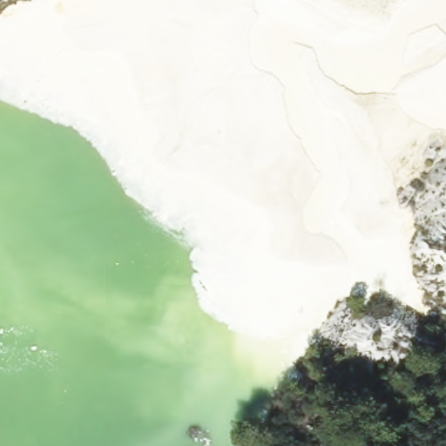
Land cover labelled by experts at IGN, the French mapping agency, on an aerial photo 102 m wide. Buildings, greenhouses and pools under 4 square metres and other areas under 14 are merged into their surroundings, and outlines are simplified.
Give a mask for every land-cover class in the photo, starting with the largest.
<instances>
[{"label":"pervious surface","instance_id":"1","mask_svg":"<svg viewBox=\"0 0 446 446\"><path fill-rule=\"evenodd\" d=\"M0 101L31 113H38L40 117L49 118L57 124L75 127L87 141H91V145L106 160L111 174L124 188L125 195L136 200L139 206L148 209L167 228L185 230L190 235V239L195 242V249L190 254L195 270L192 280L193 287L199 294L200 305L230 328L239 329L235 333V362L239 368L253 369L254 376L261 382V389L268 390L277 389L282 376L286 373L287 369L293 368L294 362L300 359L301 355H305L310 343H317L322 338L345 345V352L350 357L361 352L369 359L401 361L408 354V347L415 350L416 355L443 354L446 350V0H0Z\"/></svg>","mask_w":446,"mask_h":446},{"label":"water","instance_id":"2","mask_svg":"<svg viewBox=\"0 0 446 446\"><path fill-rule=\"evenodd\" d=\"M195 249V242L190 239V235L185 230L167 228L148 209L139 206L136 200L125 195L124 188L111 174L106 160L91 145V141H87L75 127L57 124L49 118L40 117L38 113H31L0 101V446H230L237 413L246 420L249 416H254L265 420L268 411L275 408L274 397L268 394V390L261 389V382L254 376L253 369L239 368L235 362V333L239 329L230 328L200 305L199 294L193 287L192 280L195 270L190 254Z\"/></svg>","mask_w":446,"mask_h":446},{"label":"deciduous trees","instance_id":"3","mask_svg":"<svg viewBox=\"0 0 446 446\"><path fill-rule=\"evenodd\" d=\"M401 361L406 364V369L394 375L392 382L380 380L376 383L345 385L340 380H334L331 383L334 385L333 392H307L300 389L298 378H289L286 373L282 376L277 389L268 390V394L274 397L275 408H279V411L277 416L272 418L275 423L272 446H446V350L443 354L416 355L415 350L408 347V354Z\"/></svg>","mask_w":446,"mask_h":446},{"label":"brushwood","instance_id":"4","mask_svg":"<svg viewBox=\"0 0 446 446\"><path fill-rule=\"evenodd\" d=\"M406 369V364L401 361L369 359L361 352L350 357L345 352V345L322 338L317 343H310L305 355H301L300 359L294 362L293 368L287 369L286 373L289 378H298L300 389L307 392H333L334 385L331 383L334 380H340L345 385L376 383L380 380L392 382L394 375ZM279 411V408H275L268 411L265 420L254 416H249L246 420L237 413L230 446H272L275 423L272 418L277 416Z\"/></svg>","mask_w":446,"mask_h":446}]
</instances>
